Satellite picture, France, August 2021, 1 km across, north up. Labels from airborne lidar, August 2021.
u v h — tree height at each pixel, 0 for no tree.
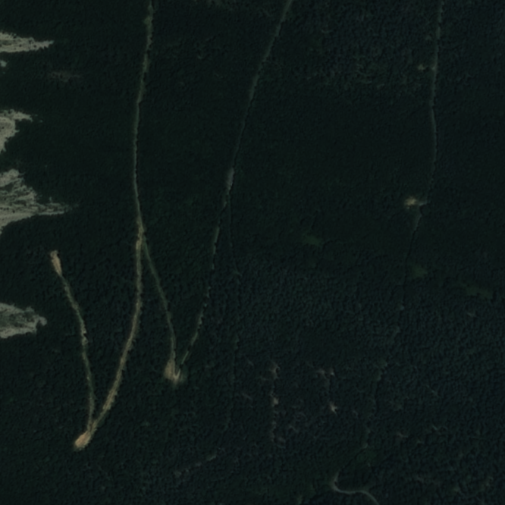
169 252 15
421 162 11
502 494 7
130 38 14
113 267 12
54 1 13
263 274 22
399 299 19
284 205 17
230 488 16
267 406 18
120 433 20
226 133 17
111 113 12
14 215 0
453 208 12
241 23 15
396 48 10
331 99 15
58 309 14
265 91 11
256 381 17
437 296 26
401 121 13
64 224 14
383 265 21
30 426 22
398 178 8
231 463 25
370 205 18
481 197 15
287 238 17
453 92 17
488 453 7
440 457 25
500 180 13
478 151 15
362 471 24
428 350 26
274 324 26
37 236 20
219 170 14
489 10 19
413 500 19
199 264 11
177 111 14
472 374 30
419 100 8
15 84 10
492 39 26
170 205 13
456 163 11
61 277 20
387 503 18
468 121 15
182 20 12
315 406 20
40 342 13
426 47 21
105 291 18
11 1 12
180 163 16
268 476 19
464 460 9
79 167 11
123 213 13
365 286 28
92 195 11
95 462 18
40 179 11
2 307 0
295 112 11
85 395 19
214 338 13
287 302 30
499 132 13
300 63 14
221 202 13
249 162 13
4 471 16
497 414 24
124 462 18
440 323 29
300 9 11
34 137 8
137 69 11
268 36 16
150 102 14
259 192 16
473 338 21
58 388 21
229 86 17
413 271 18
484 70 26
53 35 6
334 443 22
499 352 21
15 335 7
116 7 10
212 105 17
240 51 10
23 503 14
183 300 15
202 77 12
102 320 18
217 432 14
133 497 14
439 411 26
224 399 12
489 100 24
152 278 8
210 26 15
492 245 15
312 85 11
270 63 9
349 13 25
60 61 12
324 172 11
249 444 19
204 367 20
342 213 17
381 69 7
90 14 13
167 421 9
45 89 11
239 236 14
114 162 10
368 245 17
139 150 8
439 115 13
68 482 20
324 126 15
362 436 13
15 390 19
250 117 17
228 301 6
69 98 13
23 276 24
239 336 11
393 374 25
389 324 20
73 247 18
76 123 7
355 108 14
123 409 15
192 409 15
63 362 12
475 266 22
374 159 11
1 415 12
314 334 21
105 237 17
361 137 16
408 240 13
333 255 22
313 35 13
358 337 28
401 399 31
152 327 13
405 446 23
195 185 15
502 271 24
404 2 23
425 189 9
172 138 12
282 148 14
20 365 16
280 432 24
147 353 16
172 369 0
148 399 7
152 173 14
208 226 9
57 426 11
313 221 13
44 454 20
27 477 23
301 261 21
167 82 11
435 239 12
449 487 15
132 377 22
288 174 7
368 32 19
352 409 24
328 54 12
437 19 12
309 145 12
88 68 14
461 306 27
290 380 18
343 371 23
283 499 19
